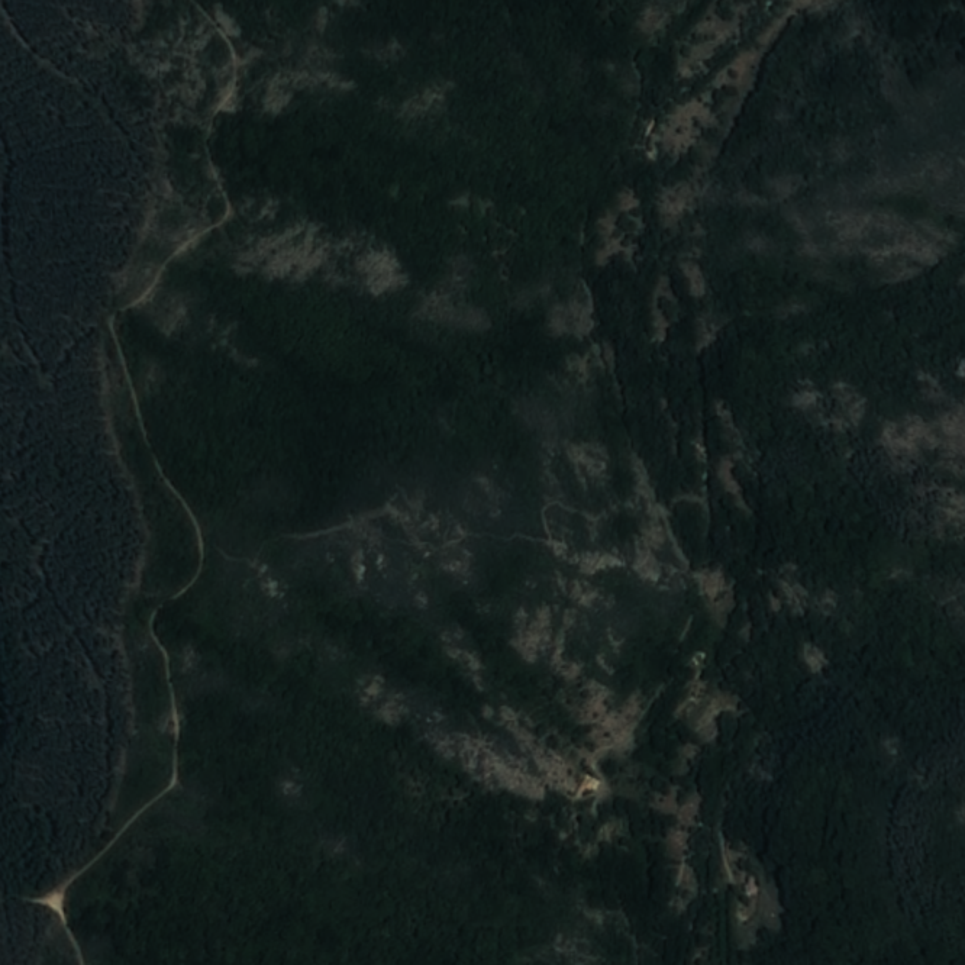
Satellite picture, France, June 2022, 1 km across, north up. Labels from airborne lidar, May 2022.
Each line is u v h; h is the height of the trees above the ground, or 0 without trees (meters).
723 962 5
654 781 15
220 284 17
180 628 14
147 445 7
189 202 6
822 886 18
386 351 15
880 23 9
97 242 20
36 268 20
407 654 15
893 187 0
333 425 20
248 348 8
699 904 16
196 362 9
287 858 14
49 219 19
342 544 0
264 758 7
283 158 18
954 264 15
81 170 25
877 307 14
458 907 14
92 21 17
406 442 6
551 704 8
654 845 17
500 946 10
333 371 21
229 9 9
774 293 11
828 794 12
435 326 6
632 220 9
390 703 0
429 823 13
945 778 12
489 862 11
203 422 10
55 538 22
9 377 15
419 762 10
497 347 16
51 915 12
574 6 27
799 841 20
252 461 5
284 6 6
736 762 11
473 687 10
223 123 18
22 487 20
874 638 10
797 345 8
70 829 19
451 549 0
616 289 26
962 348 8
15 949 19
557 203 20
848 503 9
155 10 7
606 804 11
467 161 10
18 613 16
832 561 16
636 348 24
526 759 0
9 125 24
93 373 16
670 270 8
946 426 0
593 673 6
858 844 6
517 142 17
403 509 0
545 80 11
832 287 6
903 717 7
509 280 8
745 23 14
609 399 14
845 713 23
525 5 20
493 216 14
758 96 17
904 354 7
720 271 8
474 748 0
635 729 7
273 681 7
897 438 0
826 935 17
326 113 10
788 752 12
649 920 16
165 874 15
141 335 13
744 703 12
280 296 12
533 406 0
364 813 9
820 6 0
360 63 8
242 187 11
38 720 24
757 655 17
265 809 13
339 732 15
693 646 16
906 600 13
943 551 10
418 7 14
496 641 9
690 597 6
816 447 8
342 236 7
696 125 8
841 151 0
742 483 12
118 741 19
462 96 6
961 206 0
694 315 8
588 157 13
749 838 12
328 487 13
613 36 25
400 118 7
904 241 0
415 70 6
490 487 0
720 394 15
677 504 13
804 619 13
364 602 9
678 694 19
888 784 10
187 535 5
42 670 21
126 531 15
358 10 10
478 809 9
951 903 6
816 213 0
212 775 9
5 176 26
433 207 21
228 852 11
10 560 16
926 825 13
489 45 12
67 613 23
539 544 0
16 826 27
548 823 7
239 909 14
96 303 19
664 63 18
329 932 12
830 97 7
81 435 21
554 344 17
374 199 15
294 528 6
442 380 17
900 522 15
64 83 20
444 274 10
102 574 20
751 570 14
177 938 16
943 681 16
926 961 12
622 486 8
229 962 14
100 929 9
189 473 8
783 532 17
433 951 14
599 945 8
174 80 8
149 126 14
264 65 6
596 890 9
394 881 16
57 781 19
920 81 5
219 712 7
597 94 6
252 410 17
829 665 11
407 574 0
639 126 12
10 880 27
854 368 9
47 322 19
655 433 22
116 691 18
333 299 13
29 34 19
